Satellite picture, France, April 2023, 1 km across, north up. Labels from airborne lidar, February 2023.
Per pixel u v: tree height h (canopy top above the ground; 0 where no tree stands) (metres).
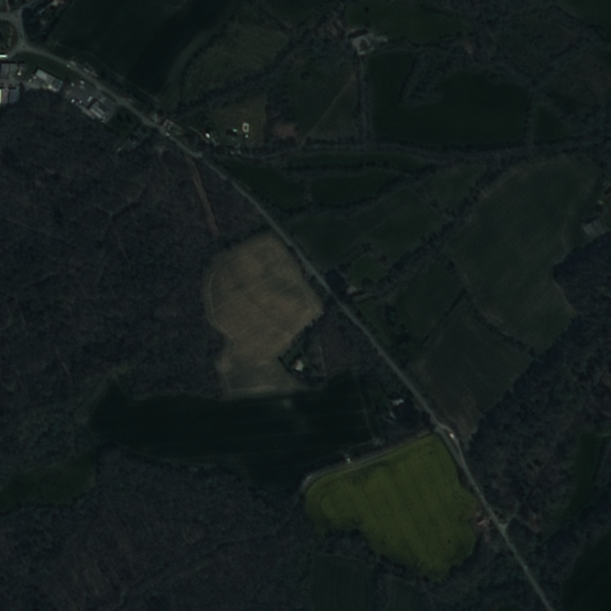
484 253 0
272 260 0
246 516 17
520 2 14
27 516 16
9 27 9
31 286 15
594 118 7
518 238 0
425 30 0
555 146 12
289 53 15
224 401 0
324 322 17
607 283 32
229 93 17
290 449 0
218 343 14
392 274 12
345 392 0
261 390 0
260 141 0
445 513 0
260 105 0
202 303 9
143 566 14
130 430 0
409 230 0
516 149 13
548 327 0
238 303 0
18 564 20
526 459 18
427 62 7
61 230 14
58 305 12
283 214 8
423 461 0
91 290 24
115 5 0
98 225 12
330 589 0
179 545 15
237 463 0
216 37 7
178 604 15
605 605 0
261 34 0
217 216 17
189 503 14
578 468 0
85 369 20
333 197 0
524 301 0
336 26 9
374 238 0
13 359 17
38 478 0
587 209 0
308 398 0
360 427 0
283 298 0
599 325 27
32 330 17
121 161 15
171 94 0
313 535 19
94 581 13
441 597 19
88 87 0
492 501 19
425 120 0
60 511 12
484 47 18
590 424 21
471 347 0
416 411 18
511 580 8
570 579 0
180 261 16
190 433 0
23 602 15
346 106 0
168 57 0
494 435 26
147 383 7
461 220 12
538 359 12
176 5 0
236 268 0
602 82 0
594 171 0
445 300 0
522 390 23
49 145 13
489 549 20
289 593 16
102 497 17
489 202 0
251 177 0
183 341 14
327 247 0
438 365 0
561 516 0
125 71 0
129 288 14
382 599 15
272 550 18
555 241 0
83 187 9
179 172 15
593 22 0
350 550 18
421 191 13
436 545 0
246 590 16
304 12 0
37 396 15
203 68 0
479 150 14
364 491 0
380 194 10
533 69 0
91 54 0
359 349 16
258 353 0
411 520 0
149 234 15
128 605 17
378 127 0
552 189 0
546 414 32
